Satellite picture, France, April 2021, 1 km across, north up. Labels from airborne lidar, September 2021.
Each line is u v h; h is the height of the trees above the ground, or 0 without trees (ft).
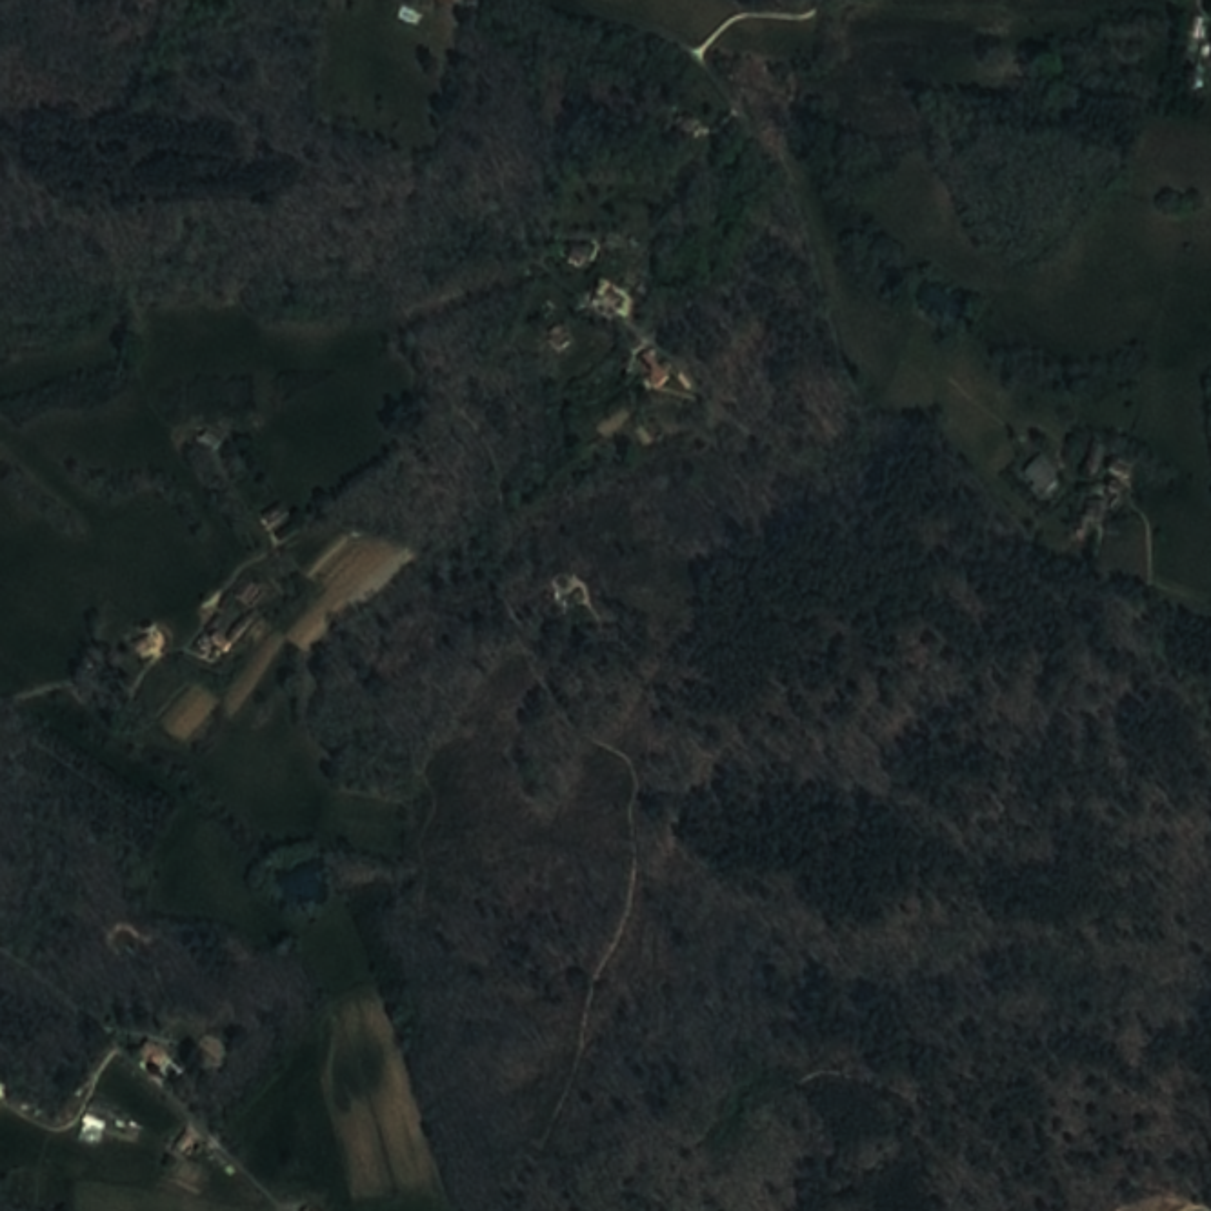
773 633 71
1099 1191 55
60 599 0
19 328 69
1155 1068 70
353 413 0
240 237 45
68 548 0
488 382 35
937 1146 86
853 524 83
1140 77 52
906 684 63
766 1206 30
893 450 55
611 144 99
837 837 72
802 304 70
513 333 47
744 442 38
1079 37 22
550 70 49
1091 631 73
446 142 33
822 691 83
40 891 49
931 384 0
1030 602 93
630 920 24
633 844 46
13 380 0
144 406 0
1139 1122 32
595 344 0
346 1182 0
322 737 48
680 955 43
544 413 50
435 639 25
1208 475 0
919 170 0
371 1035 0
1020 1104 72
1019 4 0
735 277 52
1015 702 62
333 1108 0
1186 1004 45
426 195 61
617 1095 37
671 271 41
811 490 50
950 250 0
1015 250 71
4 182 34
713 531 30
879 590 61
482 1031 42
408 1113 0
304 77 71
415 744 58
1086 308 0
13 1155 0
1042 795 56
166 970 52
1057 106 62
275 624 35
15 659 0
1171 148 0
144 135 47
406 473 48
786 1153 52
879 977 56
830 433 68
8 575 0
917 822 55
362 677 78
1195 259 0
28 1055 54
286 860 54
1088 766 51
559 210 62
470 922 34
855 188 68
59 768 38
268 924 0
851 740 65
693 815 69
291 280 64
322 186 50
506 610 47
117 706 48
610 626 29
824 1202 56
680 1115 37
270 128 61
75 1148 0
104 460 0
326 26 30
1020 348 37
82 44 29
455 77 37
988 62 68
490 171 51
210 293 57
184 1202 0
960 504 84
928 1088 79
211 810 32
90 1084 32
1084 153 70
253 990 55
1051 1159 72
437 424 55
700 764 26
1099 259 0
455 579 25
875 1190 34
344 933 0
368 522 56
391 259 57
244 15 58
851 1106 32
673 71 40
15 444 0
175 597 0
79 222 51
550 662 79
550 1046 63
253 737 0
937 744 49
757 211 79
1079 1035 29
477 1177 48
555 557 29
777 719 28
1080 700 56
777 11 51
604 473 39
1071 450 24
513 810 22
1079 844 53
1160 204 35
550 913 24
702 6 0
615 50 60
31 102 21
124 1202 0
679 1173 46
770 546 38
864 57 0
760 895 52
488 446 59
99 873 57
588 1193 47
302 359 0
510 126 62
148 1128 0
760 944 63
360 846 0
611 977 21
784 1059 25
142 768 0
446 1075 59
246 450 31
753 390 62
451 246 57
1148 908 60
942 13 0
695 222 86
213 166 51
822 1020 95
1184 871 34
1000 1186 31
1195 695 31
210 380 0
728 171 49
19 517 0
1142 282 0
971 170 61
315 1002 40
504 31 61
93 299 64
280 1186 0
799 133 110
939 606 66
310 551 0
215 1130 31
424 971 47
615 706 51
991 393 0
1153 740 83
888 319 0
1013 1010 34
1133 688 32
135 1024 53
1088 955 53
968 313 83
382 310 35
